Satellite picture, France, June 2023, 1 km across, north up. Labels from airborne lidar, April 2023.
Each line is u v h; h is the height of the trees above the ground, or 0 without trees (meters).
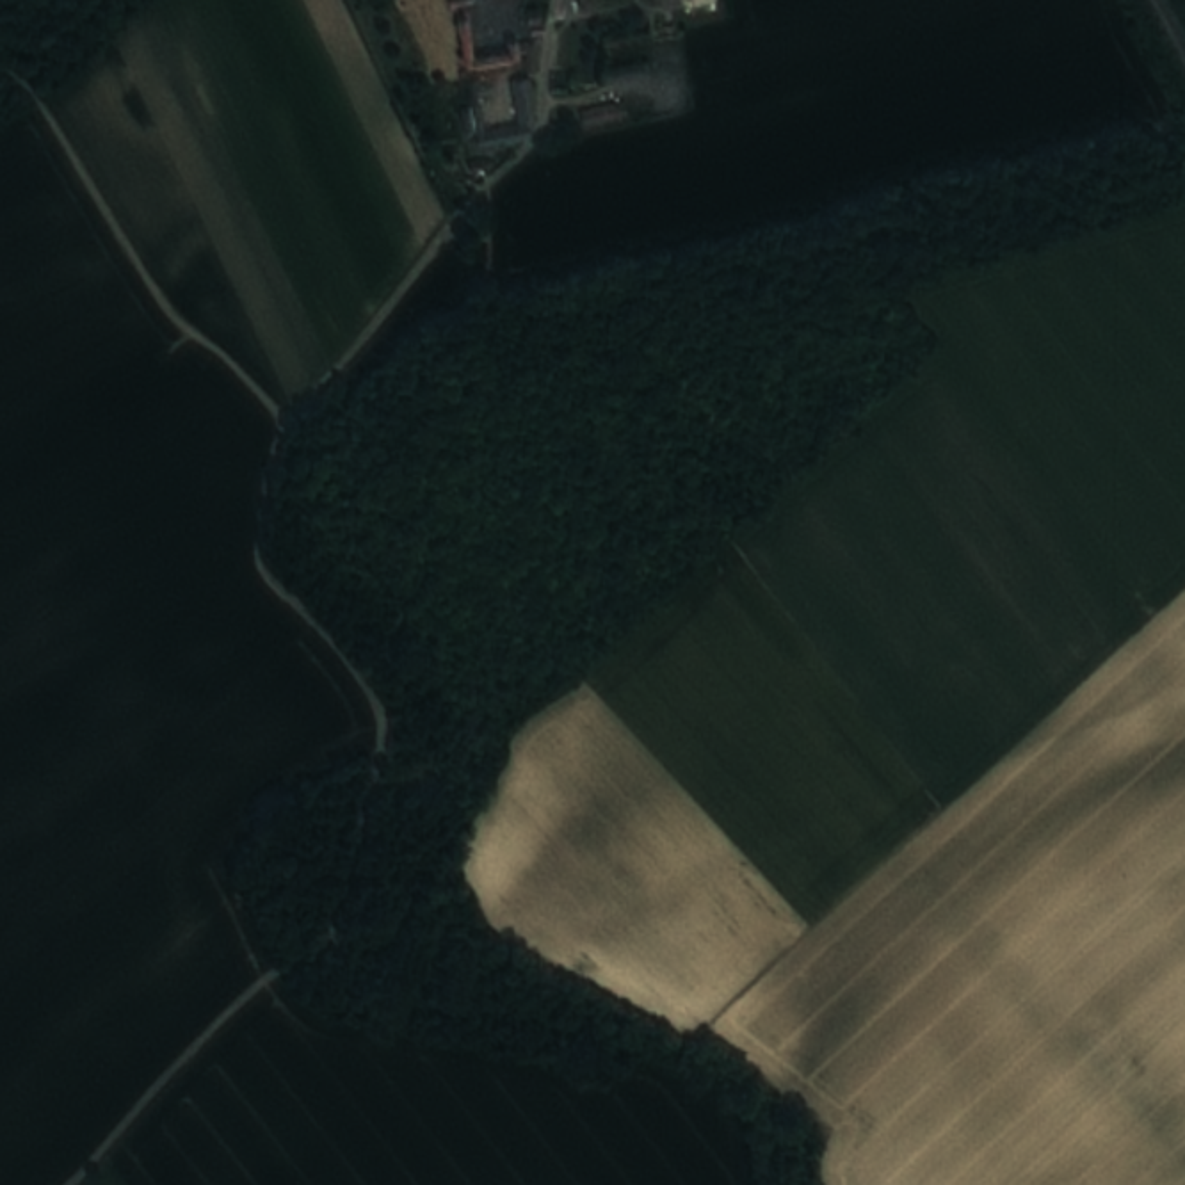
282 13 0
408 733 22
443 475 17
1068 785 0
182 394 0
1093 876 0
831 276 20
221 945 0
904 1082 0
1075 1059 0
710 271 23
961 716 0
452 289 0
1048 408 0
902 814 0
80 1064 0
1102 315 0
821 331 20
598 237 0
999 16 0
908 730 0
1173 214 0
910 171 0
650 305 20
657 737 0
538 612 21
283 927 21
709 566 0
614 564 19
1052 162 25
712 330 12
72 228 0
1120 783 0
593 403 15
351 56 0
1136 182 17
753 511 19
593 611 16
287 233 0
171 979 0
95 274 0
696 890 0
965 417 0
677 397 14
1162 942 0
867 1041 0
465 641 17
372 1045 0
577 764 0
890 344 10
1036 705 0
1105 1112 0
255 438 0
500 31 0
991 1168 0
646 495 11
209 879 0
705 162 0
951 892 0
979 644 0
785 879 0
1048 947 0
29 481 0
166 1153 0
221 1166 0
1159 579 0
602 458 16
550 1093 0
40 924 0
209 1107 0
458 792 24
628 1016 23
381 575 17
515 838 0
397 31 0
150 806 0
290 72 0
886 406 0
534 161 0
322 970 24
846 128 0
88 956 0
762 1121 21
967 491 0
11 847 0
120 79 0
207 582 0
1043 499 0
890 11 0
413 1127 0
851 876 0
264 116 0
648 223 0
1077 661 0
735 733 0
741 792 0
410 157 0
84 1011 0
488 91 0
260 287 0
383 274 0
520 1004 22
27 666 0
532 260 0
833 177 0
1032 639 0
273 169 0
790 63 0
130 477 0
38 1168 0
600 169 0
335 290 0
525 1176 0
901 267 26
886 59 0
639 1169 0
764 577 0
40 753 0
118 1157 0
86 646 0
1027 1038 0
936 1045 0
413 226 0
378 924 21
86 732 0
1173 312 0
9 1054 0
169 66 0
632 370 19
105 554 0
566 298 17
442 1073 0
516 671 11
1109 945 0
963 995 0
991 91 0
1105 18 0
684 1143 0
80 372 0
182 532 0
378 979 28
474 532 17
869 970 0
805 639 0
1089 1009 0
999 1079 0
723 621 0
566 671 15
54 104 0
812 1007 0
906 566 0
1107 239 0
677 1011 0
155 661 0
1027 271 0
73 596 0
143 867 0
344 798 12
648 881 0
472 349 25
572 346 17
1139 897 0
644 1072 0
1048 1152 0
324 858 19
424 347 19
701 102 0
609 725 0
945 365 0
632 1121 0
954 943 0
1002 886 0
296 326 0
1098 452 0
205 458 0
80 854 0
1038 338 0
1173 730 0
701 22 0
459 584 20
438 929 18
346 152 0
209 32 0
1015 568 0
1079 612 0
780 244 20
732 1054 17
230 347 0
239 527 0
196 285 0
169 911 0
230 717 0
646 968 0
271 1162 0
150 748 0
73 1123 0
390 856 20
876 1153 0
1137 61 0
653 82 0
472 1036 21
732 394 14
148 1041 0
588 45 16
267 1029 0
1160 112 16
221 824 0
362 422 22
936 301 0
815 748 0
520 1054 20
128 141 0
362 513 21
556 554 16
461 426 12
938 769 0
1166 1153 0
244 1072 0
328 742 0
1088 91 0
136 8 12
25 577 0
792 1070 0
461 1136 0
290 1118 0
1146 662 0
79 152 0
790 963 0
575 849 0
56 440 0
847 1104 0
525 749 0
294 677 0
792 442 17
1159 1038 0
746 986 0
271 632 0
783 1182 25
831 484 0
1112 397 0
